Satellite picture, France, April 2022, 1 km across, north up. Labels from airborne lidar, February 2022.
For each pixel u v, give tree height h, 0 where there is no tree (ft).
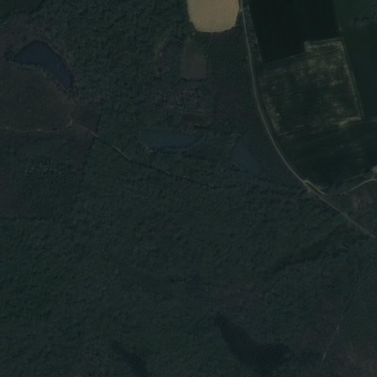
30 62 0
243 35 50
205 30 0
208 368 78
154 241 57
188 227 82
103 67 85
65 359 62
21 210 46
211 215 84
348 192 62
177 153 71
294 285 91
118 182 77
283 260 0
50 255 88
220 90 32
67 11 91
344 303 50
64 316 88
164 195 92
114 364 86
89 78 74
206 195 80
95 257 85
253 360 68
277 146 0
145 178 94
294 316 77
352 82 0
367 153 0
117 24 94
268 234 79
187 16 74
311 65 0
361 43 0
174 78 76
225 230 82
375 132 0
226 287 0
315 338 52
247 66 39
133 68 94
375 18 30
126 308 93
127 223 85
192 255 69
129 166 86
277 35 0
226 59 46
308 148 0
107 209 79
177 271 75
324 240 0
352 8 0
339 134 0
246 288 0
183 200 94
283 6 0
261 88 0
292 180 45
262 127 44
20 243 72
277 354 69
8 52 51
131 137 86
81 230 82
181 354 81
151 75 86
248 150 0
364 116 0
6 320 75
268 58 0
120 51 64
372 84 0
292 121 0
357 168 0
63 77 0
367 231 0
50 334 78
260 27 0
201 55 0
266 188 85
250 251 87
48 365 84
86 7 81
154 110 83
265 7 0
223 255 66
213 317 75
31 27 82
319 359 82
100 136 57
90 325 87
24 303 77
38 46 0
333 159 0
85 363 88
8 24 25
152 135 0
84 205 83
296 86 0
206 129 44
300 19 0
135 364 82
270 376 71
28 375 86
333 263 76
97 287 97
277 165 45
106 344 90
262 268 79
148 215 77
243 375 71
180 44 72
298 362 72
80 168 45
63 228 71
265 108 0
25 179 70
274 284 82
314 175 0
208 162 83
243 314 73
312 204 47
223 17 0
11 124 45
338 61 0
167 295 65
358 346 53
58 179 46
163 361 85
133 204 80
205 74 0
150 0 85
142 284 56
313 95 0
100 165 84
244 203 73
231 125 40
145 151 47
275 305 85
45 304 64
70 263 94
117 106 93
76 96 56
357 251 53
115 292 89
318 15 0
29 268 85
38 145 72
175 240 91
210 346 92
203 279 76
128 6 87
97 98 85
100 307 81
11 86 42
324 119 0
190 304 74
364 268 61
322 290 68
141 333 85
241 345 64
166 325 86
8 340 80
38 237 85
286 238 56
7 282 68
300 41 0
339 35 0
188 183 70
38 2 0
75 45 80
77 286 77
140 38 78
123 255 79
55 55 0
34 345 79
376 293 52
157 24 65
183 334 82
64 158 76
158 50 0
